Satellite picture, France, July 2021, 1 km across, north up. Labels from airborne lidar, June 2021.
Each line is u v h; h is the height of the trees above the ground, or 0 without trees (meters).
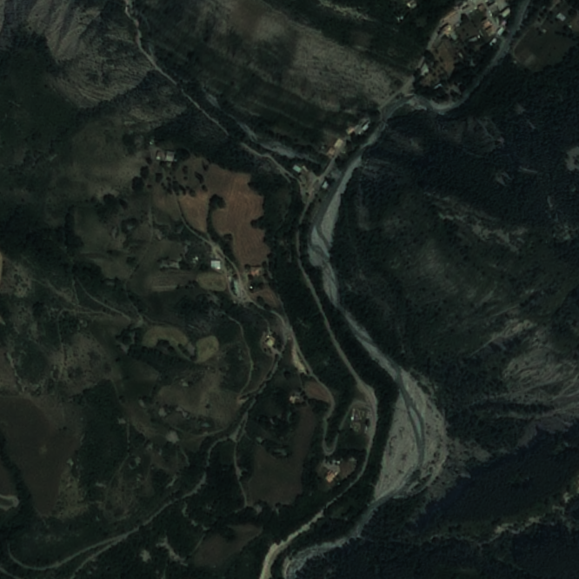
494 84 14
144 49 16
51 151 9
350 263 8
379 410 8
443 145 9
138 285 0
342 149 0
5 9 0
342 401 6
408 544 8
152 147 0
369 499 10
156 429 0
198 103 9
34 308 8
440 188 6
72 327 6
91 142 0
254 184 13
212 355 0
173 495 10
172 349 12
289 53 0
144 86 6
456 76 15
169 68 10
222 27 0
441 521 19
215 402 0
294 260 9
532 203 7
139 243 0
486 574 18
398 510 17
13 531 13
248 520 11
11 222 22
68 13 0
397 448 0
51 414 0
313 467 7
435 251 0
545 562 23
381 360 0
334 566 12
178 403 0
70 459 0
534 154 11
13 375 0
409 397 0
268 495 0
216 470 7
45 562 6
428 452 0
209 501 10
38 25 0
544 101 14
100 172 0
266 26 0
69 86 0
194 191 6
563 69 10
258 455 0
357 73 0
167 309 0
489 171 20
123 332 8
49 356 0
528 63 0
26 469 0
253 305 9
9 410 0
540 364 0
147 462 0
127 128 0
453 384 20
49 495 0
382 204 7
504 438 6
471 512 21
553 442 18
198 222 0
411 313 9
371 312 12
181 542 7
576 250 16
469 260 9
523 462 19
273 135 21
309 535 12
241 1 0
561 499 15
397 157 8
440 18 16
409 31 13
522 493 25
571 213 6
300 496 12
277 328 0
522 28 10
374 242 7
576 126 13
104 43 8
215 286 0
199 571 7
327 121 7
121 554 8
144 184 15
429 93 14
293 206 11
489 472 21
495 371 13
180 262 8
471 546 20
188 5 0
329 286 0
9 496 0
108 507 0
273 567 11
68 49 0
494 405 14
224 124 12
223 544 0
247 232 0
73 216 15
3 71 6
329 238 0
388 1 7
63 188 0
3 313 10
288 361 0
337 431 8
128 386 0
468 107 12
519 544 16
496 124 10
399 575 23
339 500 12
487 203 8
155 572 7
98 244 0
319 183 0
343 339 14
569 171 10
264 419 9
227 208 0
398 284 14
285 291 10
